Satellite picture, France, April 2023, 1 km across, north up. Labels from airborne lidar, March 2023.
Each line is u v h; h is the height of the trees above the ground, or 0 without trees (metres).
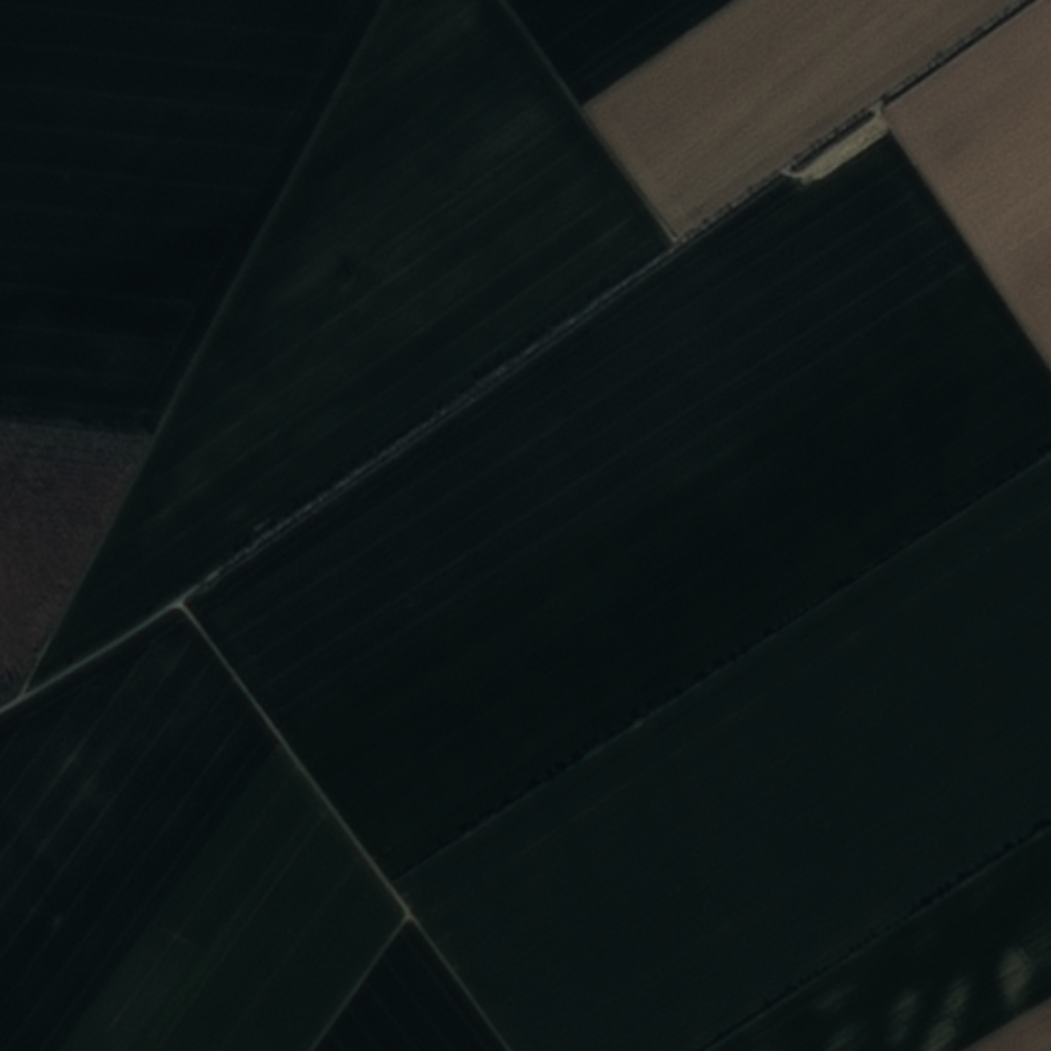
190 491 0
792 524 0
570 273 0
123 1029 0
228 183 0
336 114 0
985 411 0
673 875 0
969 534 0
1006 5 0
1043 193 0
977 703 0
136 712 0
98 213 0
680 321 0
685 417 0
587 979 0
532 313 0
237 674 0
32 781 0
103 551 0
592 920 0
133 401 0
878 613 0
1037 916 0
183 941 0
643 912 0
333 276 0
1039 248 0
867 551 0
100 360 0
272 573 0
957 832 0
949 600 0
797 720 0
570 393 0
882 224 0
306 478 0
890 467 0
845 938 0
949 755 0
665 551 0
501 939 0
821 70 0
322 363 0
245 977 0
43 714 0
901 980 0
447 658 0
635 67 0
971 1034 0
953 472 0
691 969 0
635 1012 0
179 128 0
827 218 0
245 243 0
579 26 0
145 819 0
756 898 0
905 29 0
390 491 0
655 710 9
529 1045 0
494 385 9
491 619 0
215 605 0
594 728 0
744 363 0
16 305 0
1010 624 0
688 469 0
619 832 0
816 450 0
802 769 0
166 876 0
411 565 0
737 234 0
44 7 0
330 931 0
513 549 0
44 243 0
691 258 0
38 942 0
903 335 0
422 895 0
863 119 7
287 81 0
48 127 0
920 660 0
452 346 0
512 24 0
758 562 0
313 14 0
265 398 0
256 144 0
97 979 0
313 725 0
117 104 0
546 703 0
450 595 0
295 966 0
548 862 0
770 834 0
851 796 0
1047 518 0
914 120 0
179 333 0
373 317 0
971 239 0
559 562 0
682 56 0
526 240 0
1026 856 0
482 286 0
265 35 0
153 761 0
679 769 0
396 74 0
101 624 0
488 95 0
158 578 0
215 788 0
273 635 0
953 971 0
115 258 0
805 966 0
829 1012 0
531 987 0
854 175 0
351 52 0
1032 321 0
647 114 0
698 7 0
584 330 0
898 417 0
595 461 0
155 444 0
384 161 0
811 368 0
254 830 0
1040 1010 0
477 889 0
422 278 0
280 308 0
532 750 0
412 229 0
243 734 0
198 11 0
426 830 0
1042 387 0
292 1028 0
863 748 0
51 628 0
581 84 0
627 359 0
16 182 0
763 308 0
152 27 0
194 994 0
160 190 0
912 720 0
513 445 0
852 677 0
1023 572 0
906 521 0
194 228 0
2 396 0
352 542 0
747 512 0
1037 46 0
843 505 0
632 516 0
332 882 0
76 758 0
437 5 0
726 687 0
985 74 0
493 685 0
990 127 0
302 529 0
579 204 0
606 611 0
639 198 0
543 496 0
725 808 0
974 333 0
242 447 0
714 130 0
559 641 0
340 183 0
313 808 0
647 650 0
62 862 0
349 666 0
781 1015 0
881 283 0
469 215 0
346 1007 0
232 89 0
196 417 0
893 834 0
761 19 0
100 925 0
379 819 0
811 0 0
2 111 0
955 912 0
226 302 0
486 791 0
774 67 0
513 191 0
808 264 0
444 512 0
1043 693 0
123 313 0
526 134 0
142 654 0
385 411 0
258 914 0
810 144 0
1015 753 0
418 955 0
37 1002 0
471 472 0
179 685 0
